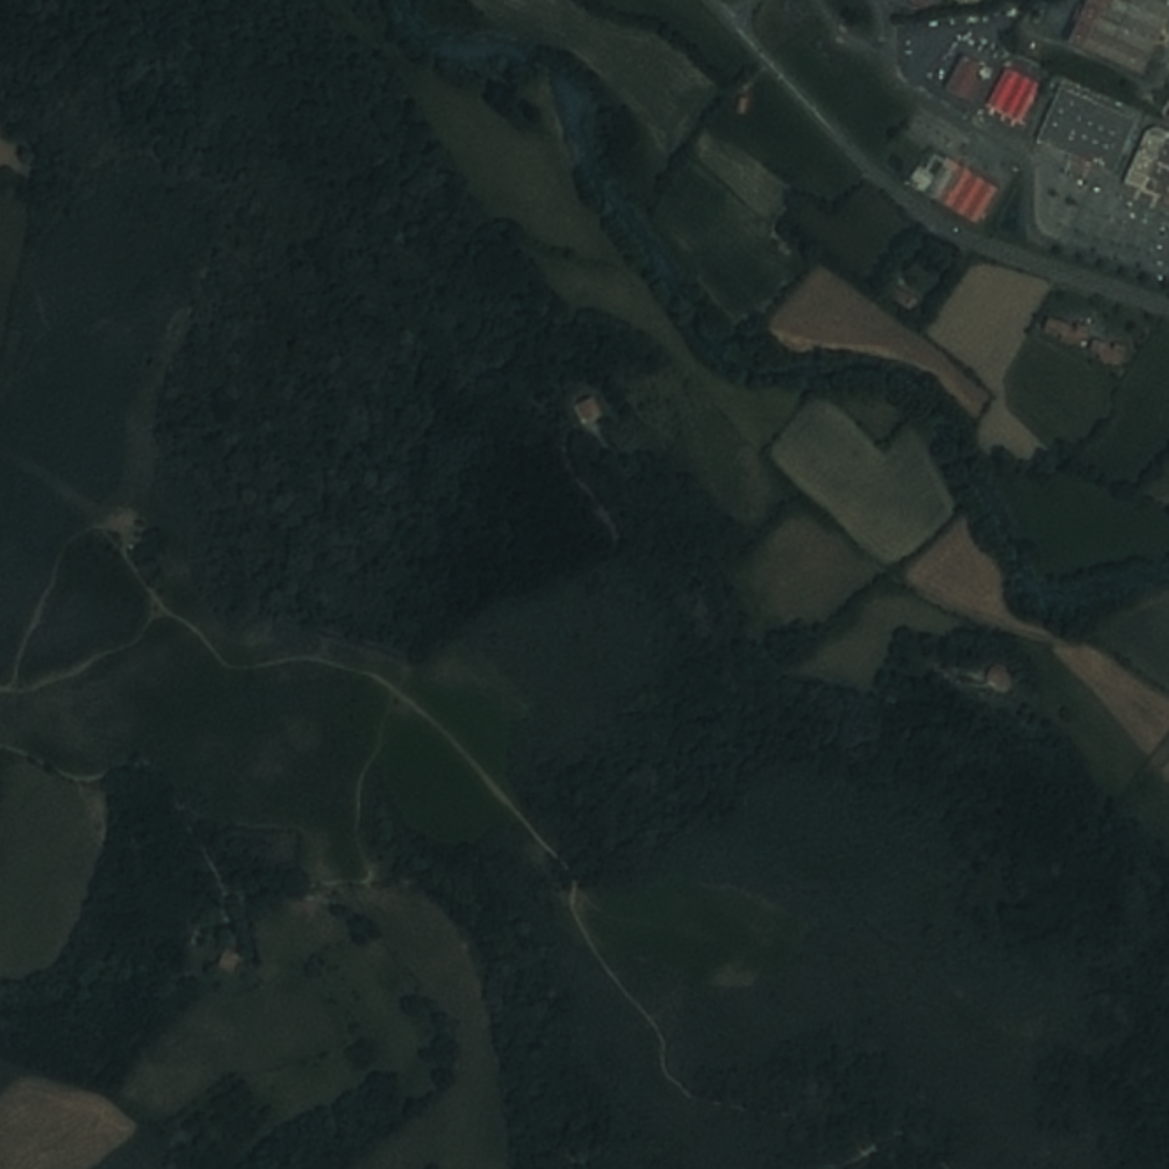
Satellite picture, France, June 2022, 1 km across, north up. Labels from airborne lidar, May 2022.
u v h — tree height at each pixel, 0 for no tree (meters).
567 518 17
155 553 8
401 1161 0
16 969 0
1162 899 10
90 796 0
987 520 24
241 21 15
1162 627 0
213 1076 0
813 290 0
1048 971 6
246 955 13
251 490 18
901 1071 6
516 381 17
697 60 12
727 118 0
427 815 0
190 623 0
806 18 0
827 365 16
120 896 19
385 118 25
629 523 18
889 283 21
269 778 0
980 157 0
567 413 6
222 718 0
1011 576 8
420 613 7
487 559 11
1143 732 0
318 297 6
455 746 0
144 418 0
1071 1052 8
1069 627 19
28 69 11
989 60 0
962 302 0
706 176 0
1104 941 7
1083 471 17
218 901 12
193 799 8
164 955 19
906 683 12
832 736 14
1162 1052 13
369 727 0
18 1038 19
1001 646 21
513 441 15
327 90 25
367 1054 15
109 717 0
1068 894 16
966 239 0
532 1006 17
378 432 26
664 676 9
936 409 14
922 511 0
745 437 0
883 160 0
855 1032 8
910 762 13
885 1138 15
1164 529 0
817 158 0
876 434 0
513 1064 16
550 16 0
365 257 7
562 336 20
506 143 0
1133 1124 14
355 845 0
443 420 15
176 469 11
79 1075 11
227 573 14
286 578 16
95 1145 0
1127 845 19
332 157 11
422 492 12
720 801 12
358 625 7
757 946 0
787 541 0
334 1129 15
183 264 6
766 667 19
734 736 9
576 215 0
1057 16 0
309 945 0
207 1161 16
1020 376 0
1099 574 10
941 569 0
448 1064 13
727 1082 7
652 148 0
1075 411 0
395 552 7
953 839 7
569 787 11
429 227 16
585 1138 17
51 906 0
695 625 14
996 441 0
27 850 0
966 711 14
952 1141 11
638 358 9
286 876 13
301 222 8
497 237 22
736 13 0
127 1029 13
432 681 0
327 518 25
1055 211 0
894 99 0
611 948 0
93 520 0
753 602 0
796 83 0
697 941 0
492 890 7
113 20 12
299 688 0
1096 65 0
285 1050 0
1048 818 28
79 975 26
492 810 0
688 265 0
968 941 10
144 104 16
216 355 6
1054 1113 10
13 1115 0
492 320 15
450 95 0
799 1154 8
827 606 0
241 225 8
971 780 17
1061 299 7
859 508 0
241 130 14
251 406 6
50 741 0
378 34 0
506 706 0
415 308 11
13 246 0
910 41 0
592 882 8
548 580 15
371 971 0
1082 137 0
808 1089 13
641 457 14
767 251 0
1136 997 11
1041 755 21
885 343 0
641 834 17
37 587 0
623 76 0
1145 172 0
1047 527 0
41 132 16
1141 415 0
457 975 0
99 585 0
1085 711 0
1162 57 0
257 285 7
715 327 12
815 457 0
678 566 13
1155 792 0
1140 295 0
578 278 0
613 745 9
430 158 16
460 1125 0
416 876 7
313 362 13
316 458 11
